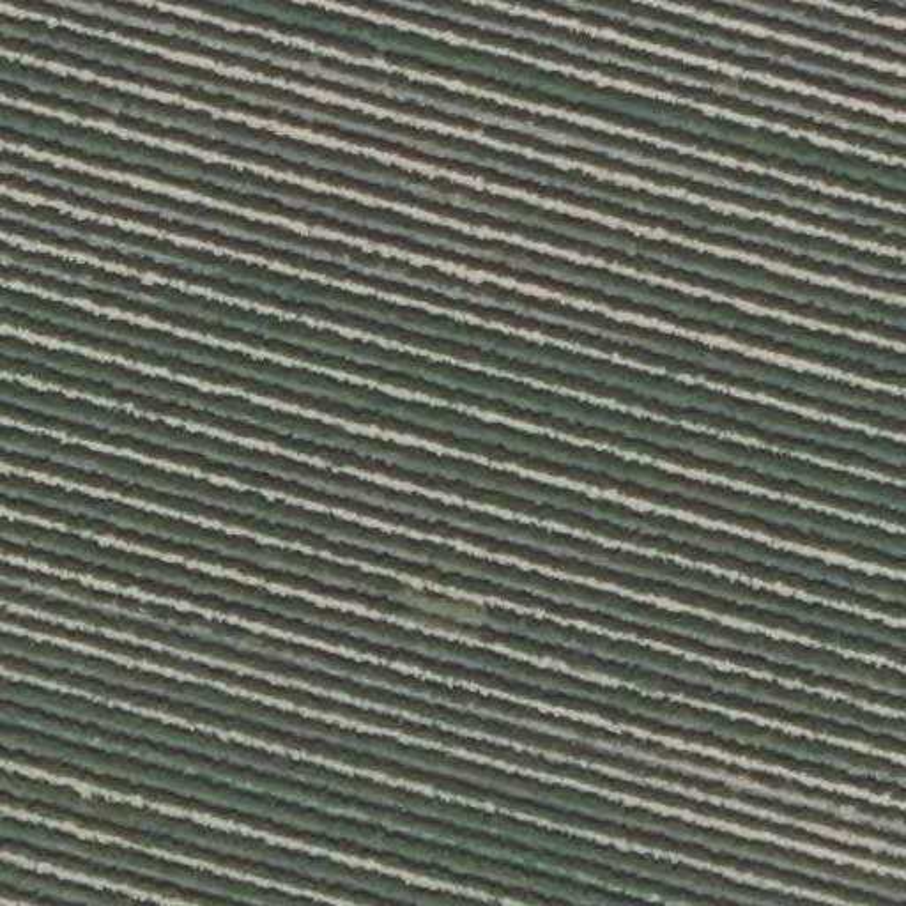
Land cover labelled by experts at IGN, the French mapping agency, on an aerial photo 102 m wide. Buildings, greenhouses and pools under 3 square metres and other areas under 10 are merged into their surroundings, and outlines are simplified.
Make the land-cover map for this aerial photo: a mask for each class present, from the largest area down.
<instances>
[{"label":"vineyard","instance_id":"1","mask_svg":"<svg viewBox=\"0 0 906 906\"><path fill-rule=\"evenodd\" d=\"M0 906H906V0H0Z\"/></svg>","mask_w":906,"mask_h":906}]
</instances>
